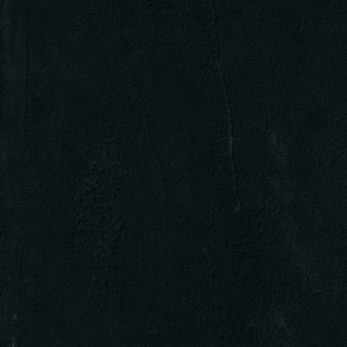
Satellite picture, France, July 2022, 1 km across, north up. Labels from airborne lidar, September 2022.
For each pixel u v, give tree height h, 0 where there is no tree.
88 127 17
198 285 17
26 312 14
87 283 15
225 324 11
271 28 15
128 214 20
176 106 14
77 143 20
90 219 24
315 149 20
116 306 16
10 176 10
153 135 20
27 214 14
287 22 21
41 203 21
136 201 17
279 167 15
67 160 19
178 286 27
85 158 23
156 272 20
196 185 19
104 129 20
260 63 16
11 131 10
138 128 17
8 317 7
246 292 13
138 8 25
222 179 23
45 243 18
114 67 12
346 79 19
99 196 23
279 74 18
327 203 17
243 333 9
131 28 21
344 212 19
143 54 20
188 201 22
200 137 17
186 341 25
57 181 15
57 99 16
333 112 21
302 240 9
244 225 12
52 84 9
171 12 29
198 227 21
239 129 21
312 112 16
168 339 17
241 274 17
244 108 16
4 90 11
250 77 19
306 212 17
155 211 20
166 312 18
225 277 18
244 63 19
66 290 16
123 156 16
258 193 20
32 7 17
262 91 19
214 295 20
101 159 22
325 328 18
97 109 18
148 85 15
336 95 18
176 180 16
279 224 22
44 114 8
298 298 20
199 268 25
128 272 15
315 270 9
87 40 20
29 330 12
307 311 15
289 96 18
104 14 14
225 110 18
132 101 19
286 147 8
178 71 17
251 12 22
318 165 16
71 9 11
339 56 17
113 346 21
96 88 17
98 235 24
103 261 27
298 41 19
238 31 16
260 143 23
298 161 14
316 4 21
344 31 17
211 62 24
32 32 14
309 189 17
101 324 18
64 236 24
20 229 9
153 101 21
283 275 21
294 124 11
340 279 14
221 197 19
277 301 20
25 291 15
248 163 15
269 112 16
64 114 9
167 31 27
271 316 18
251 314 10
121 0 15
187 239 24
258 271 16
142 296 16
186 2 27
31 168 16
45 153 15
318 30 23
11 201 6
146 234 18
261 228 23
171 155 21
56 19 8
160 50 11
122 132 18
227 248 26
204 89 18
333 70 15
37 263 15
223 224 16
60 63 8
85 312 15
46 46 8
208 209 18
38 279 17
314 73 15
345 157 19
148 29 21
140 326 16
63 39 12
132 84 11
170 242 16
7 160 8
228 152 18
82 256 20
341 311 22
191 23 21
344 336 13
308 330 14
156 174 19
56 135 19
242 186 20
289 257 17
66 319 15
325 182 15
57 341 13
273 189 5
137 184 18
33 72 12
